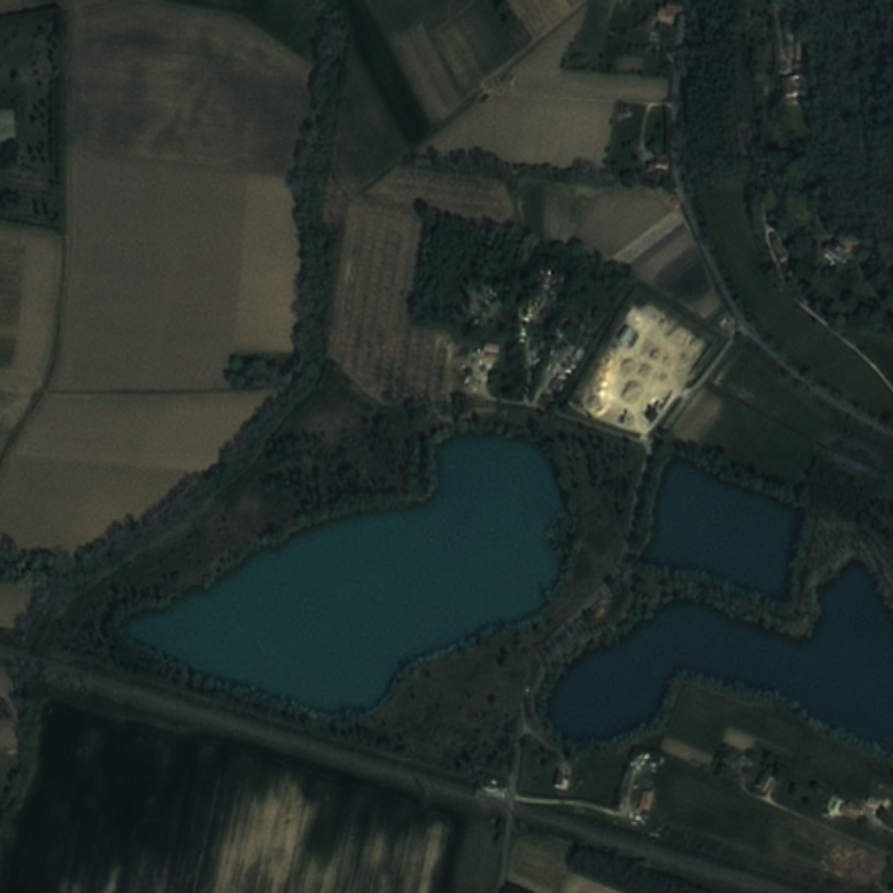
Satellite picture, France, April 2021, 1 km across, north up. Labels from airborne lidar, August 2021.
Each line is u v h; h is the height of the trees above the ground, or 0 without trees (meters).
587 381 0
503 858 0
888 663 0
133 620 0
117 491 0
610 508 0
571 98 0
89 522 0
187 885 0
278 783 0
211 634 0
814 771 0
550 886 0
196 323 0
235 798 0
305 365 15
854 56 8
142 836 0
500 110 0
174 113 0
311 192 19
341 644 0
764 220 12
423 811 0
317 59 12
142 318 0
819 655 0
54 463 0
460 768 18
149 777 0
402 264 0
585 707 0
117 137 0
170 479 0
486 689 0
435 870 0
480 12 0
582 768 0
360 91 0
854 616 0
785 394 0
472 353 0
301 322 18
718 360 0
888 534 11
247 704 8
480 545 0
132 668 16
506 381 10
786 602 20
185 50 0
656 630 0
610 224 0
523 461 0
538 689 19
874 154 15
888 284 28
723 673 0
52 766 0
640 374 0
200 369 0
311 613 0
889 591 19
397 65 0
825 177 20
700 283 0
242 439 15
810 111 21
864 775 0
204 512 16
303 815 0
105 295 0
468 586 0
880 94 17
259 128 0
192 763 0
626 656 0
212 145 0
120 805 0
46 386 0
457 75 0
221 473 10
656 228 0
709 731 0
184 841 0
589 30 0
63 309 0
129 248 0
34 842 0
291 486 18
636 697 0
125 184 0
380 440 9
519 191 0
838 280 7
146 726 0
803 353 0
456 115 0
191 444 0
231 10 0
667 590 19
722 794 0
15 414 0
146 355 0
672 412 0
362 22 0
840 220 22
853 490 6
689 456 23
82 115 0
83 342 0
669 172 9
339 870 0
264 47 0
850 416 10
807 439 0
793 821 0
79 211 0
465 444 0
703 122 17
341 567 0
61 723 0
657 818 0
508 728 9
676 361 0
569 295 9
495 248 15
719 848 8
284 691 0
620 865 14
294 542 0
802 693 0
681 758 0
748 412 0
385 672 0
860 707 0
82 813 0
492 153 0
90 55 0
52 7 9
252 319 0
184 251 0
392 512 0
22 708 18
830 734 9
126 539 24
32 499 0
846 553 28
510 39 0
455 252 16
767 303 0
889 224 17
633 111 0
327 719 16
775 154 18
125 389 0
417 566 0
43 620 14
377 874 0
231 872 0
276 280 0
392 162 0
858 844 0
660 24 7
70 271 0
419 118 0
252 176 0
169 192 0
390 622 0
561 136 0
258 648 0
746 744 0
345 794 0
